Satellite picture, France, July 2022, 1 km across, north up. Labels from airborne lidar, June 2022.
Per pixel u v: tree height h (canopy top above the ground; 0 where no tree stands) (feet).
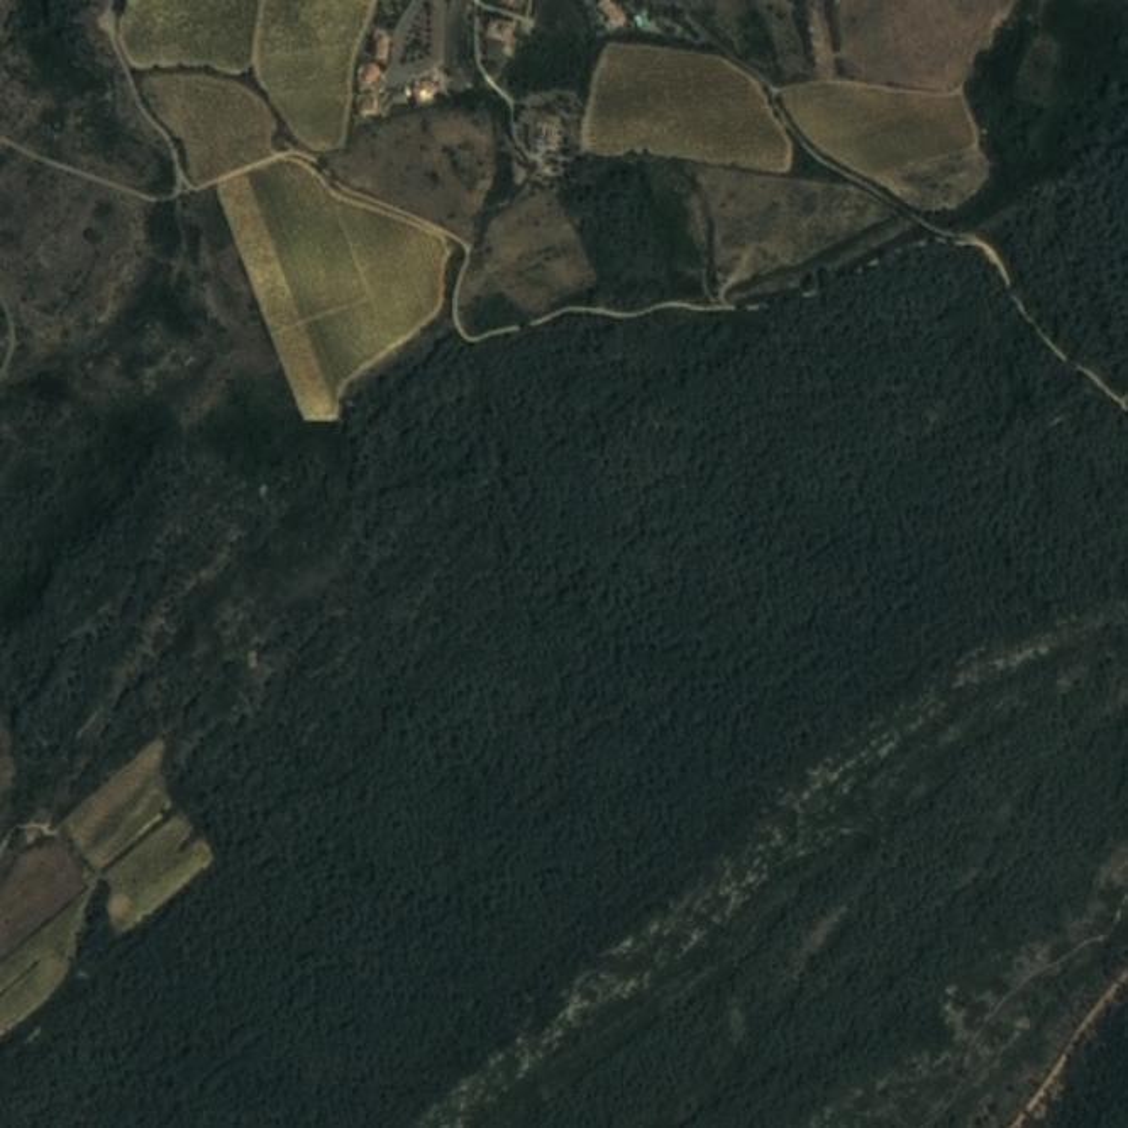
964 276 48
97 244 26
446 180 0
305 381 0
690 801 35
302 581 0
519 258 0
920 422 32
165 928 23
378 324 0
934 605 45
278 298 0
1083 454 43
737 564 32
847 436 23
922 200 0
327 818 36
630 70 0
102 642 42
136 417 23
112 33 0
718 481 40
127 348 0
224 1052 37
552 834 28
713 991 20
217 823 31
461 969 35
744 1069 39
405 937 31
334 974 32
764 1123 39
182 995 37
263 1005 37
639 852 32
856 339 44
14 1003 0
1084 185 34
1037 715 44
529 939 34
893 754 26
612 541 39
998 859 42
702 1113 42
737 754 29
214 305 0
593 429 34
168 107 0
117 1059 36
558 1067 0
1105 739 49
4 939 0
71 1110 22
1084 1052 21
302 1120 40
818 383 31
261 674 0
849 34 0
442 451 46
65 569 34
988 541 35
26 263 0
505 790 31
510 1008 25
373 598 25
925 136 0
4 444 31
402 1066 26
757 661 36
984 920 38
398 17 20
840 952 37
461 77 0
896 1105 0
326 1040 40
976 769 29
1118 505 57
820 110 0
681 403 45
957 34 0
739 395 44
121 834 0
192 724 24
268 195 0
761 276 22
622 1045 35
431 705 18
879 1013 25
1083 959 0
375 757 33
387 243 0
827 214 0
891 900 42
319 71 0
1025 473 54
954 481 28
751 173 0
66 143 0
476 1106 0
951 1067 0
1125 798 38
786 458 39
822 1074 28
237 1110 35
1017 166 19
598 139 0
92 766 33
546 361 27
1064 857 37
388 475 28
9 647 57
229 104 0
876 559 55
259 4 0
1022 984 0
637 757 33
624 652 53
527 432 50
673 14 22
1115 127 25
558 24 0
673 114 0
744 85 0
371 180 0
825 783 0
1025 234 47
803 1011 41
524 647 34
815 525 30
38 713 28
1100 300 43
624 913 25
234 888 33
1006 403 54
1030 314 45
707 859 25
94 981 21
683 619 38
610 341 54
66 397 23
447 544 19
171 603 22
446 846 24
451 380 46
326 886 42
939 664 26
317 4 0
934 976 35
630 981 0
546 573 42
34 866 0
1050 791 36
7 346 0
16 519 39
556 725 37
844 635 42
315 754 37
